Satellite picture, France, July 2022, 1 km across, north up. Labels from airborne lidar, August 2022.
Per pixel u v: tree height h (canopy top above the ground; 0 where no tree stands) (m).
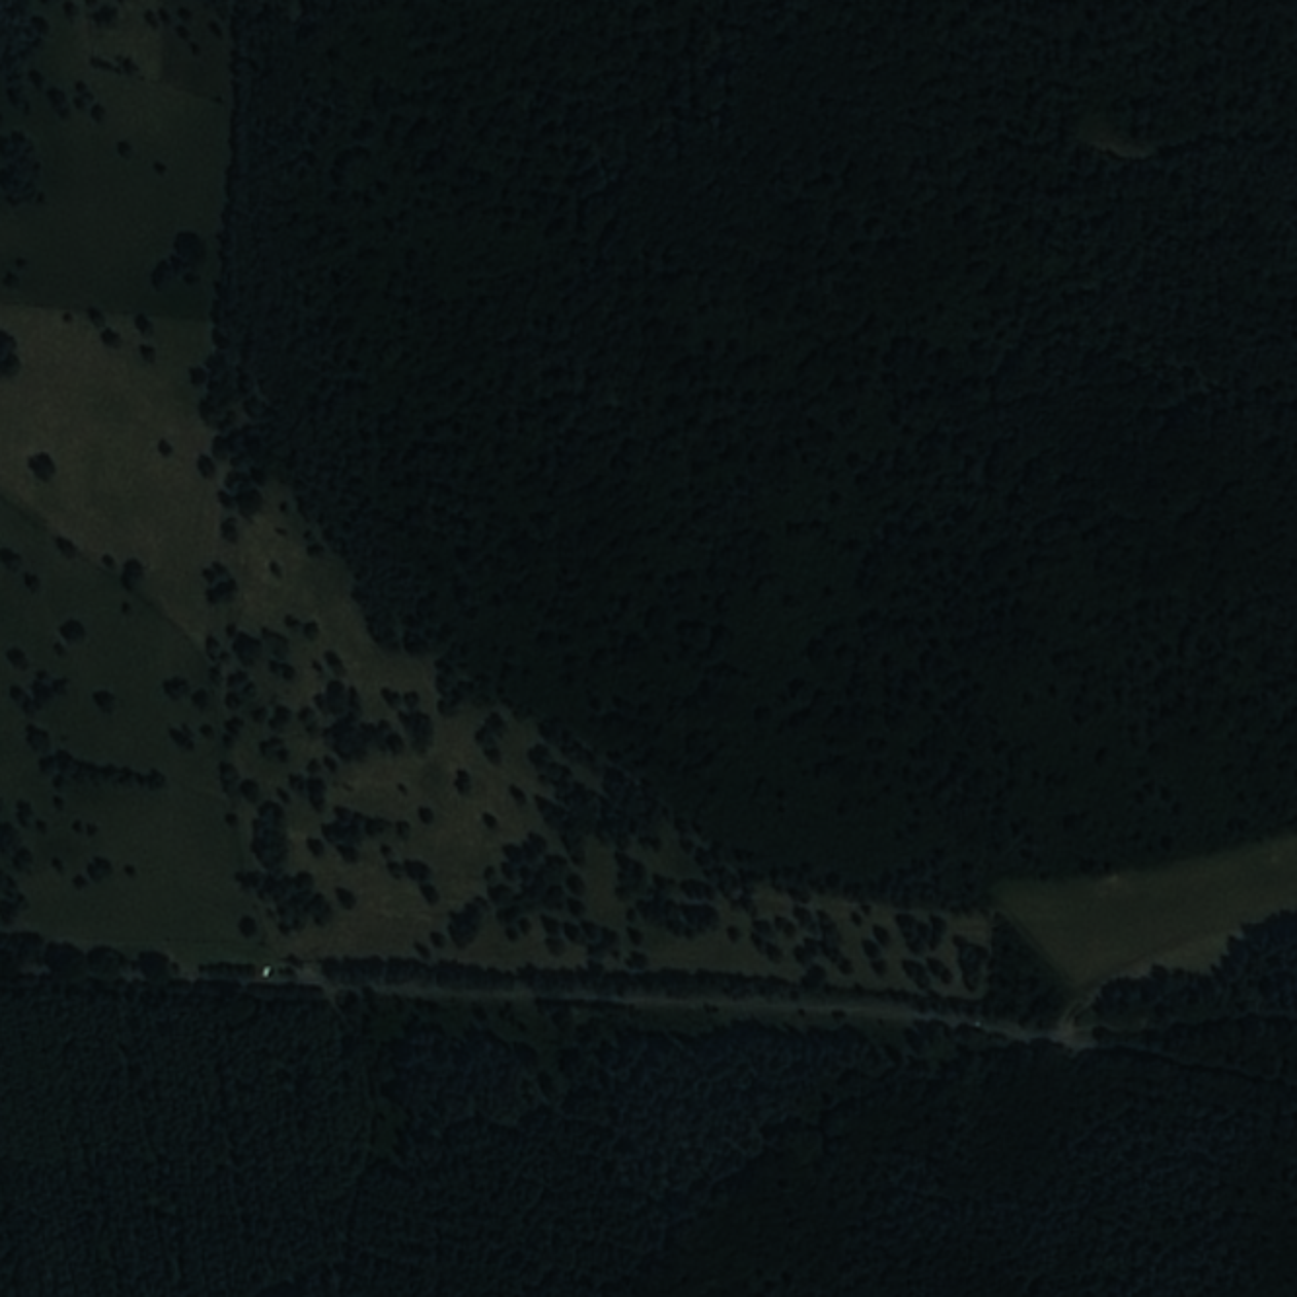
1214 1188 24
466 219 14
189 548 0
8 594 0
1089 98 8
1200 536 13
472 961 0
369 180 8
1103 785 6
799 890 12
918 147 20
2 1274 14
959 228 17
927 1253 20
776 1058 31
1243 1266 27
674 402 18
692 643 22
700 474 16
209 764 0
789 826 6
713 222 20
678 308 7
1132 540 16
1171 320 18
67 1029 22
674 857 0
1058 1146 19
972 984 14
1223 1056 13
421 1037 21
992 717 6
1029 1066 18
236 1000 25
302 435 20
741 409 18
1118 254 12
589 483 16
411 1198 24
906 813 6
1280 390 12
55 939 0
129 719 0
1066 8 20
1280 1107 23
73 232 0
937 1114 23
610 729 15
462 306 12
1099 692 8
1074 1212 20
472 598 14
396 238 7
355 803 0
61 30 0
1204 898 0
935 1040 17
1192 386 11
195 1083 18
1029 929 0
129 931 0
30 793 0
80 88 10
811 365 17
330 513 8
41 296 0
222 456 12
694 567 8
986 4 19
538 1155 16
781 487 8
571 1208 20
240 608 0
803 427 16
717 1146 24
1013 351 6
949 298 8
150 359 10
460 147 12
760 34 22
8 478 0
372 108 9
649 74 18
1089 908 0
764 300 13
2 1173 16
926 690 6
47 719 0
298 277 14
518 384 16
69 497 0
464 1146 16
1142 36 13
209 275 0
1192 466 17
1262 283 15
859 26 14
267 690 0
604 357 19
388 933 0
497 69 13
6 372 16
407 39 13
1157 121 12
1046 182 8
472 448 8
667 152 23
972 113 13
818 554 7
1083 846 6
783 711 7
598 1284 12
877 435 7
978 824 14
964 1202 24
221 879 0
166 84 0
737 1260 20
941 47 14
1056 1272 21
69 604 0
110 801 0
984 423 20
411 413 12
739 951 0
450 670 18
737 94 23
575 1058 18
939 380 8
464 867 0
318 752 0
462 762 0
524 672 14
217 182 0
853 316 17
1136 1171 20
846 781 16
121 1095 19
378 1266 19
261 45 14
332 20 18
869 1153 21
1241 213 17
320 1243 16
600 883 0
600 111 14
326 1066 22
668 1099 29
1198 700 12
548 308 10
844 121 19
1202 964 0
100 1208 7
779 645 8
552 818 23
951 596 19
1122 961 0
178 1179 16
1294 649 13
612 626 10
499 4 13
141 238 0
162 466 0
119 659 0
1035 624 9
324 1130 19
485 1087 29
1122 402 18
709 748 8
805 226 16
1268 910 0
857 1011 0
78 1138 14
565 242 8
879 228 15
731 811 7
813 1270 21
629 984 18
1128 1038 8
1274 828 6
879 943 12
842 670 8
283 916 12
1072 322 7
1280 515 18
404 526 14
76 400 0
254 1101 18
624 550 15
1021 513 16
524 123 15
